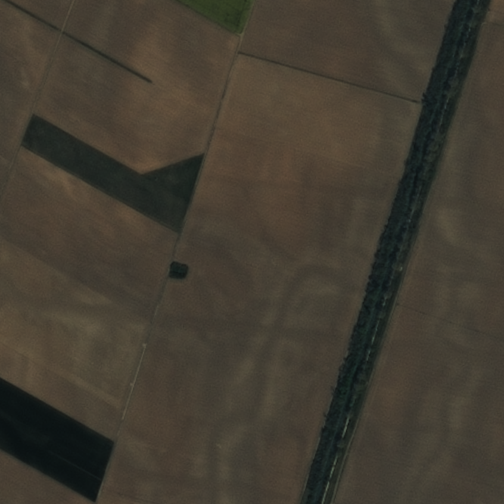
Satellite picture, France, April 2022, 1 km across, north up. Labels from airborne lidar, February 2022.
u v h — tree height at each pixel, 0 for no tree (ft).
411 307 0
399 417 0
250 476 0
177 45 0
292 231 0
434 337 0
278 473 0
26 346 0
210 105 0
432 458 0
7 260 0
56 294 0
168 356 0
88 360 0
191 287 0
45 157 0
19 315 0
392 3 0
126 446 0
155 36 0
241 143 0
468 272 0
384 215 0
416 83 0
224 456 0
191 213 0
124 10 0
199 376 0
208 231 0
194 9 0
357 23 0
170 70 0
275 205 0
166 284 0
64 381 0
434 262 0
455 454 0
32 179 0
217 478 0
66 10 0
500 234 0
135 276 0
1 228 0
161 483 0
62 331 0
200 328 0
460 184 0
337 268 0
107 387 0
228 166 0
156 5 0
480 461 0
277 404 0
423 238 0
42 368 0
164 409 0
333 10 0
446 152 0
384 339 0
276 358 0
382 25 0
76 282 0
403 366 0
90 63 0
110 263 0
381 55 0
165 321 0
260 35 0
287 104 0
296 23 0
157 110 0
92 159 0
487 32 0
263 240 0
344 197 0
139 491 0
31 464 0
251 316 0
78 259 0
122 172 0
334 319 0
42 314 0
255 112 0
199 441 0
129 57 0
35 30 0
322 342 0
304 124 0
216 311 0
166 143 0
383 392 0
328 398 0
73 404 0
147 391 0
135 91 0
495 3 0
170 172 0
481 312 0
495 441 0
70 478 0
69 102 0
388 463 0
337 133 0
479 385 0
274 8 0
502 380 0
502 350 0
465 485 0
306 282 0
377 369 0
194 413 0
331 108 0
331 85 0
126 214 0
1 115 0
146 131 0
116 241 0
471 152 0
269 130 0
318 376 0
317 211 0
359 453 0
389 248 48
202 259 0
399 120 0
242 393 0
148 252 0
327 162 0
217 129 0
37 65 0
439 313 0
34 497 0
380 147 0
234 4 0
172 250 0
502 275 0
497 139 0
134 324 0
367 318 32
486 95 0
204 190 0
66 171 0
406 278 0
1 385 0
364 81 0
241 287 0
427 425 0
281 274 0
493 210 0
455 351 0
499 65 0
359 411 0
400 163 0
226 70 0
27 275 0
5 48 0
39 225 0
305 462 0
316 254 0
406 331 0
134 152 0
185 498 0
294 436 0
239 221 0
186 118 0
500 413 0
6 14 0
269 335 0
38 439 0
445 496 0
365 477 0
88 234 0
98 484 0
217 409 0
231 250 0
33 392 0
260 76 0
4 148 0
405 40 0
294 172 0
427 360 0
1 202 0
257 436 0
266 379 0
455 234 0
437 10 0
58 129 0
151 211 0
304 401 0
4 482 0
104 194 0
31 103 0
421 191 54
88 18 0
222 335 0
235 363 0
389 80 0
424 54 0
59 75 0
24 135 0
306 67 0
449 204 0
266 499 0
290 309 0
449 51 41
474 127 0
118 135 0
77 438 0
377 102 0
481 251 0
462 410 0
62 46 0
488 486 0
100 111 0
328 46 0
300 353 0
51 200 0
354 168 0
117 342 0
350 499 0
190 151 0
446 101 40
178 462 0
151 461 0
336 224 0
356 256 0
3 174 0
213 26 0
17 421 0
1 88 0
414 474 0
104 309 0
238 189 0
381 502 0
